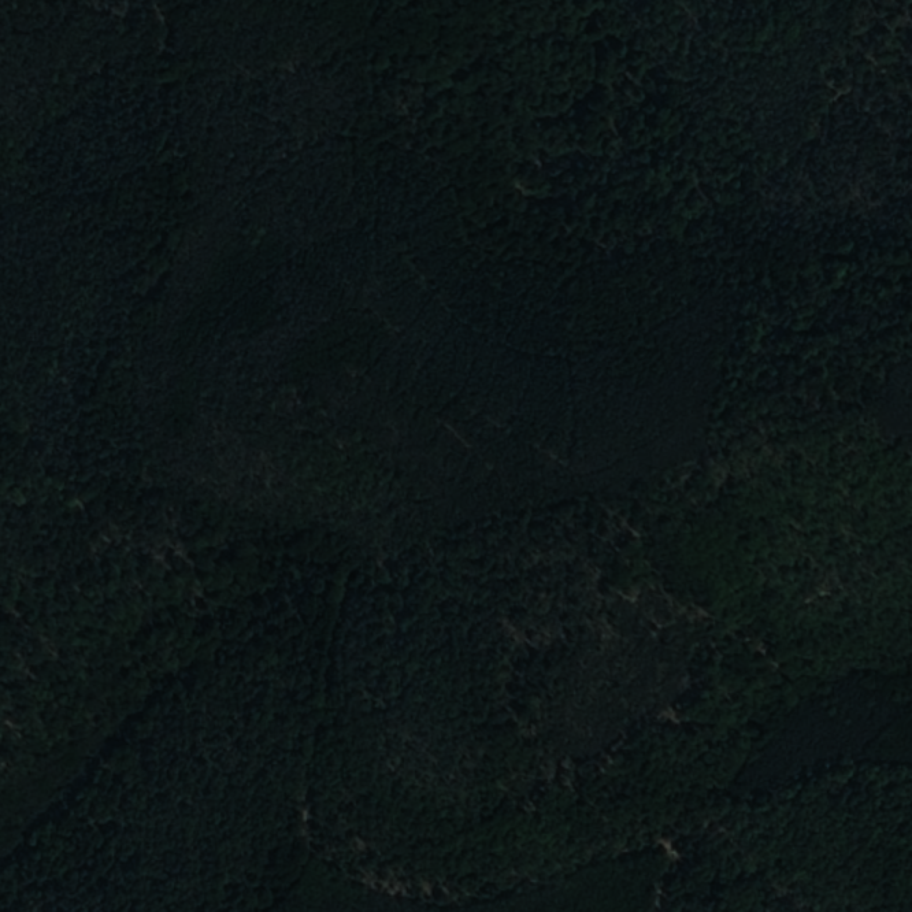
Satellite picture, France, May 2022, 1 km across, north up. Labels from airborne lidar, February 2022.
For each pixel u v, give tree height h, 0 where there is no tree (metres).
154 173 26
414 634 28
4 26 21
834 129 27
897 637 29
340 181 20
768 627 26
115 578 24
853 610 20
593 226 31
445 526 12
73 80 24
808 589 21
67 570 21
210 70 24
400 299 21
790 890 26
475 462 18
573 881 12
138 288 24
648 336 16
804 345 23
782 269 27
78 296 24
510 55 29
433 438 18
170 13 18
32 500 21
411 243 21
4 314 18
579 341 16
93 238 21
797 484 19
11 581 20
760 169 24
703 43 30
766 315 30
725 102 25
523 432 18
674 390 17
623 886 19
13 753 22
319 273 18
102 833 23
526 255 32
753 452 20
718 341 18
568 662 6
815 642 27
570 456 17
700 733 29
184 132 24
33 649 28
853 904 25
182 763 26
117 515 24
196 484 21
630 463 17
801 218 28
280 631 28
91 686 27
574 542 28
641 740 27
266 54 22
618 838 20
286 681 28
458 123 27
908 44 27
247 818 25
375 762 23
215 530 25
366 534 23
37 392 24
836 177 28
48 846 33
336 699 24
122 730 7
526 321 20
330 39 20
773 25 24
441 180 17
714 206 30
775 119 25
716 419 13
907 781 30
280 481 19
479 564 24
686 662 6
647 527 22
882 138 29
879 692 15
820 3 24
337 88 23
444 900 23
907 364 11
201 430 23
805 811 25
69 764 13
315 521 20
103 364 26
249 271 17
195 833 20
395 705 24
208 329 18
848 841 27
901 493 25
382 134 20
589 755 6
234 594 36
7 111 25
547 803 27
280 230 19
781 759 11
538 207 29
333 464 23
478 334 14
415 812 23
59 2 23
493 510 13
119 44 20
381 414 15
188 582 17
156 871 25
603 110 33
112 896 30
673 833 21
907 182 30
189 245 23
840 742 12
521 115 29
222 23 21
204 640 34
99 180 30
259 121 23
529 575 24
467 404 18
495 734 26
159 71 24
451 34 30
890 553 21
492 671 21
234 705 27
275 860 25
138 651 6
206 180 20
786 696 37
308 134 18
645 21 36
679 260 16
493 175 27
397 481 19
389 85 30
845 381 18
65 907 29
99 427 26
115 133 28
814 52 20
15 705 28
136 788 29
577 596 8
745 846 26
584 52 28
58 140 27
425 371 13
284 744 24
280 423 18
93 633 23
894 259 30
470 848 23
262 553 11
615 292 18
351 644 20
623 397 15
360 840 27
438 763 19
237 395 23
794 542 25
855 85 24
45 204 27
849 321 7
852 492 23
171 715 28
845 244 29
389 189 25
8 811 13
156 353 24
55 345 25
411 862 26
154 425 26
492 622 24
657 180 29
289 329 21
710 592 28
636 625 7
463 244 18
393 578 28
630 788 23
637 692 7
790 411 23
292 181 18
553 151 35
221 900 17
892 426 13
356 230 15
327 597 31
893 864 26
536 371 22
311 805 23
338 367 18
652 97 11
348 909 17
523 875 19
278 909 18
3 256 21
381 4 23
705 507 19
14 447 27
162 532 26
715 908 25
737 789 13
